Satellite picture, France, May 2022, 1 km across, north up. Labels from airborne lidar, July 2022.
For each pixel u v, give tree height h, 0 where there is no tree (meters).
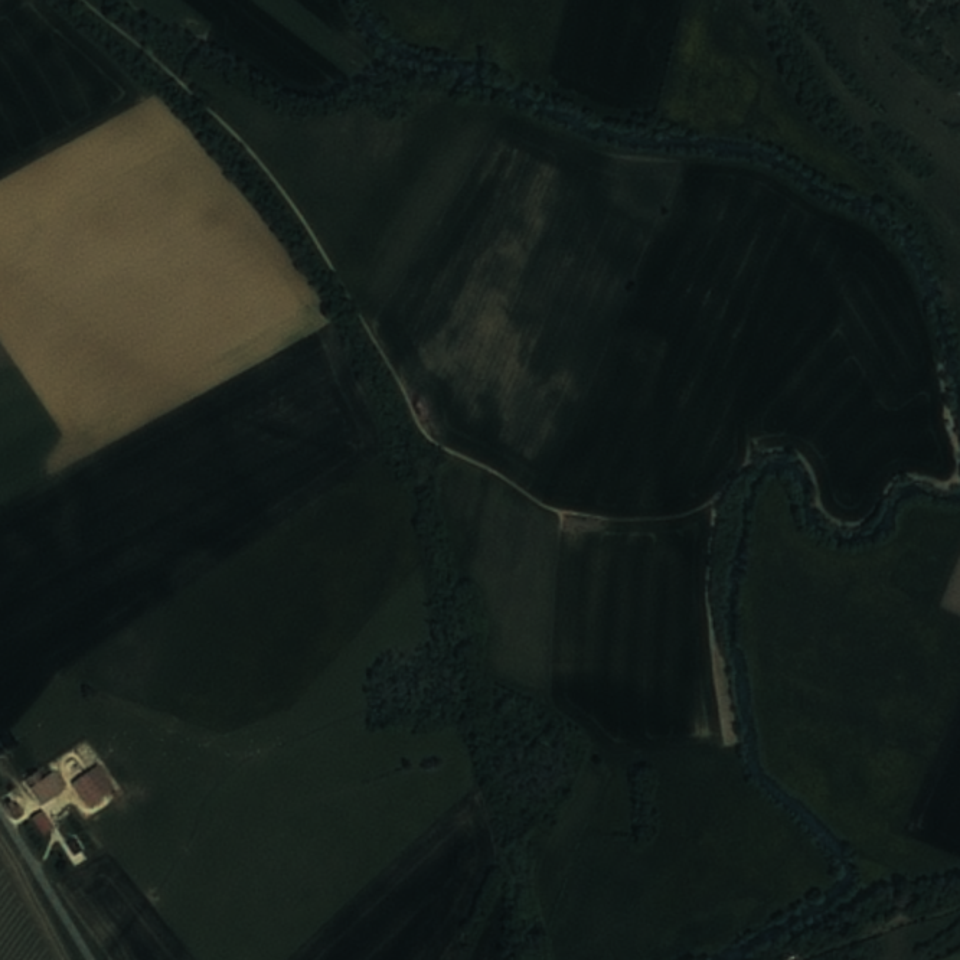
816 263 0
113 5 7
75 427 0
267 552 0
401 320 0
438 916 0
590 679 0
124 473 0
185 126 10
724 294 0
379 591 0
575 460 0
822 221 0
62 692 0
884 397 0
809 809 0
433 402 0
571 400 0
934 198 0
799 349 0
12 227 0
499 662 0
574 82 0
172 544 0
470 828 0
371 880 0
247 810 0
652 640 0
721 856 0
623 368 0
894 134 7
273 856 0
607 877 0
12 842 0
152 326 0
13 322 0
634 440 0
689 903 0
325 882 0
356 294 0
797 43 7
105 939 0
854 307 0
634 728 0
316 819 0
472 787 0
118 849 0
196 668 0
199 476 0
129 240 0
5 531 0
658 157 0
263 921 0
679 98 0
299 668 0
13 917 0
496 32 0
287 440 0
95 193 0
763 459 11
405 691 23
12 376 0
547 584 0
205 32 0
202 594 0
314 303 0
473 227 0
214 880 0
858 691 0
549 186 0
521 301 0
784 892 0
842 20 0
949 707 0
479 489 0
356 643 0
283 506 0
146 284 0
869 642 0
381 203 0
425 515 7
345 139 0
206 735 0
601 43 0
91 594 0
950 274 0
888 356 0
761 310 0
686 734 0
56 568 0
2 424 0
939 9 6
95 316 0
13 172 0
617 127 15
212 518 0
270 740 0
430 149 0
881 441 0
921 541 0
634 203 0
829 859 12
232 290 0
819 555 0
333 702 0
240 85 13
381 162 0
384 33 17
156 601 0
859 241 0
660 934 0
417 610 0
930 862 0
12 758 0
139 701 0
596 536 0
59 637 0
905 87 0
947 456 0
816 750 0
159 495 0
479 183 0
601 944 0
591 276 0
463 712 9
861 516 0
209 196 0
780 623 0
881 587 0
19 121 0
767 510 0
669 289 0
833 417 0
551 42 0
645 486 0
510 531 0
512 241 0
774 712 0
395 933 0
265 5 0
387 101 13
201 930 0
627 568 0
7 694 0
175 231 0
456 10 0
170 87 8
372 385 7
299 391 0
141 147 0
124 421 0
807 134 0
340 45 0
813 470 0
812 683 0
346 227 0
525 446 0
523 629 0
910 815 0
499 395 0
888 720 0
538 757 18
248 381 0
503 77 22
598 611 0
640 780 17
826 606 0
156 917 0
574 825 0
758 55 0
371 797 0
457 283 0
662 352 0
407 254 0
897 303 0
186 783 0
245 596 0
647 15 0
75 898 0
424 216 0
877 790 0
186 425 0
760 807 0
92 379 0
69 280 0
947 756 0
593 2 0
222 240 0
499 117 0
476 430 0
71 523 0
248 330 0
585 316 0
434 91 11
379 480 0
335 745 0
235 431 0
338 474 0
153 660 0
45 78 0
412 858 0
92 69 0
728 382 0
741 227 0
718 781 0
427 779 0
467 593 17
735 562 13
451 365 0
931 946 7
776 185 0
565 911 0
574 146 0
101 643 0
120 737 0
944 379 16
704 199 0
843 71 7
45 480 0
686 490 0
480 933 13
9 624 0
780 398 0
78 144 0
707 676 0
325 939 0
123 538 0
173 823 0
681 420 0
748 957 16
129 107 0
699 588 0
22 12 0
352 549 0
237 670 0
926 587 0
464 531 0
